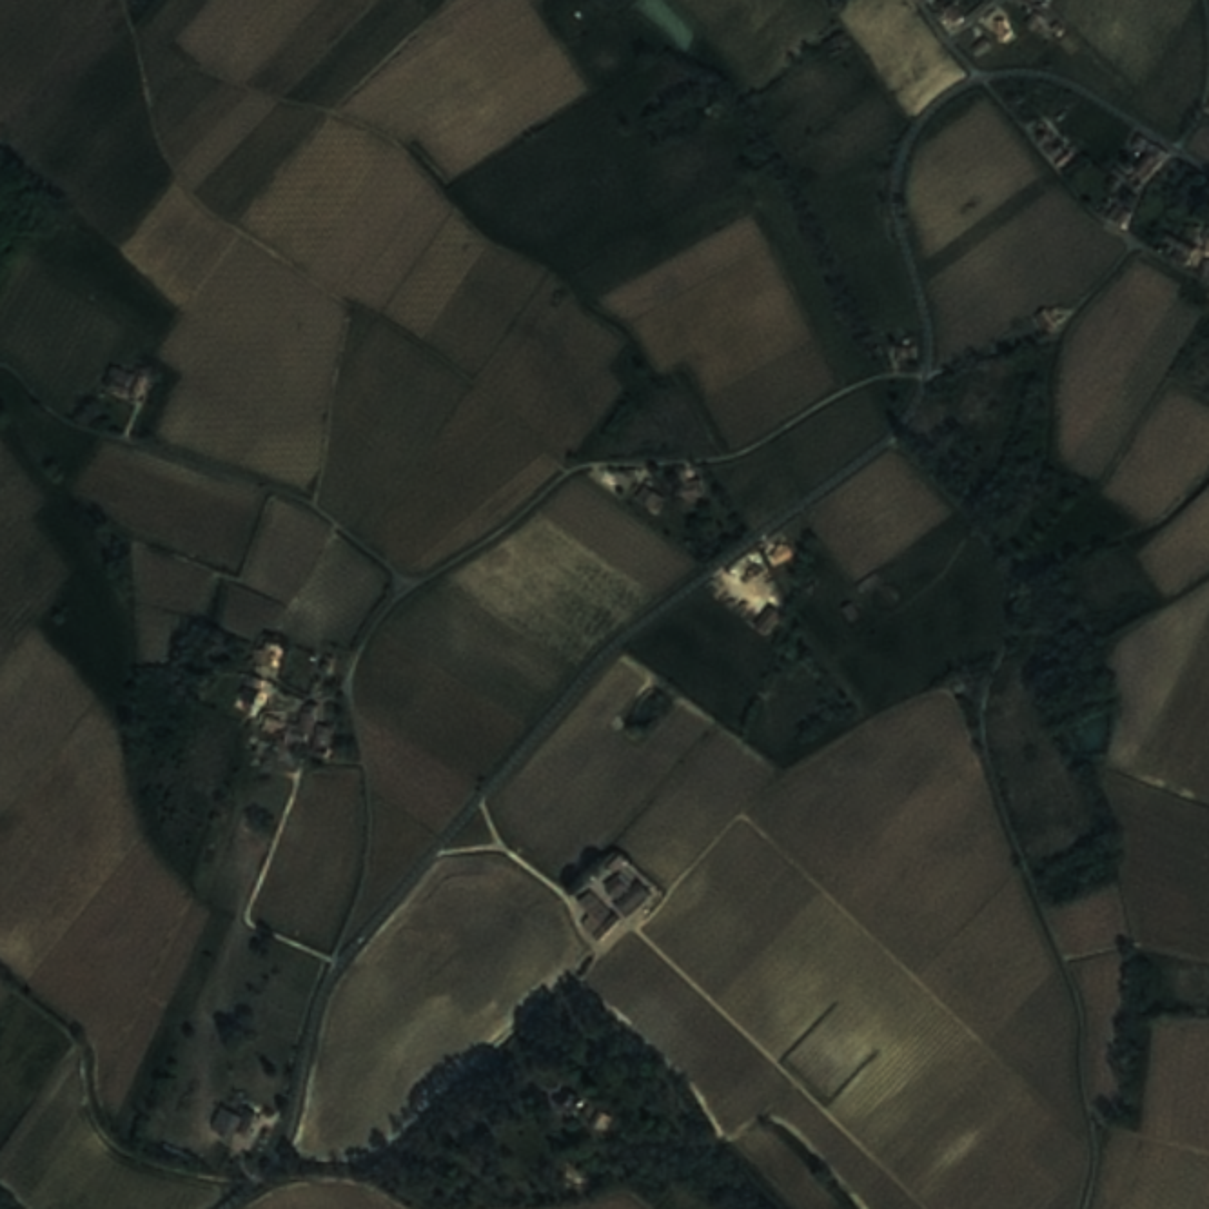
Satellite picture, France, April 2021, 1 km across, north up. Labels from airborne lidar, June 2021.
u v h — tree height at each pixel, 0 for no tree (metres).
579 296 0
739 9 0
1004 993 0
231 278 0
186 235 0
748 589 0
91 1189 0
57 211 25
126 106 0
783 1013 0
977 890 0
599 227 0
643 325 0
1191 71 0
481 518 0
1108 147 0
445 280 0
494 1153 14
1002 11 0
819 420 0
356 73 0
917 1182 0
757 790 0
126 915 0
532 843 0
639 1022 0
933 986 0
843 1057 0
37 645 0
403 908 0
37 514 0
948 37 0
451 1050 0
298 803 0
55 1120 0
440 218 0
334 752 9
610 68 0
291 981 0
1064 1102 0
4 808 0
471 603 0
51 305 0
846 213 0
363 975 0
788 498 0
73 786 0
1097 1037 0
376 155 0
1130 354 0
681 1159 22
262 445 0
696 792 0
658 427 0
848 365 0
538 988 0
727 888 0
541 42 0
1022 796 0
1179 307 0
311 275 0
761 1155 0
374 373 0
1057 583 23
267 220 0
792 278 0
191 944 0
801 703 0
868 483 0
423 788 0
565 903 0
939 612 0
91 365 0
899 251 0
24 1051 0
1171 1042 0
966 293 0
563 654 0
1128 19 0
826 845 0
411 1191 16
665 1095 10
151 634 0
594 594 0
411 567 0
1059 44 0
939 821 0
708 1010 0
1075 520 0
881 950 0
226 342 0
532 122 0
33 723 0
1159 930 0
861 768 0
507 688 0
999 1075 0
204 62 0
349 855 0
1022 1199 0
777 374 0
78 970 0
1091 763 11
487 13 0
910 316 0
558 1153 17
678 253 0
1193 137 10
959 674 11
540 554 0
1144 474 0
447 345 0
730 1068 0
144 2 14
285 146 0
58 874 0
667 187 0
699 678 0
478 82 0
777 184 12
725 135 0
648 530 0
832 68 0
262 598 0
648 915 0
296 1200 0
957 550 0
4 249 20
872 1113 0
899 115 0
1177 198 9
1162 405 0
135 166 0
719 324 0
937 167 0
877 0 0
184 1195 0
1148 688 0
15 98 0
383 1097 0
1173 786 0
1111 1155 0
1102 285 0
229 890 0
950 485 24
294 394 0
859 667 0
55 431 0
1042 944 0
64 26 0
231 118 0
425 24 0
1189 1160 0
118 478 0
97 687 0
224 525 0
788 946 0
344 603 0
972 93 0
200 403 0
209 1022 0
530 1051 17
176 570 0
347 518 0
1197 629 0
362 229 0
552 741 0
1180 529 0
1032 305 0
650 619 0
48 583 0
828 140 0
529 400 0
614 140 0
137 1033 0
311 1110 0
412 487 0
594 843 0
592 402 0
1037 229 0
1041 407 15
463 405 0
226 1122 0
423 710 0
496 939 0
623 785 0
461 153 0
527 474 0
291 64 0
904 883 0
